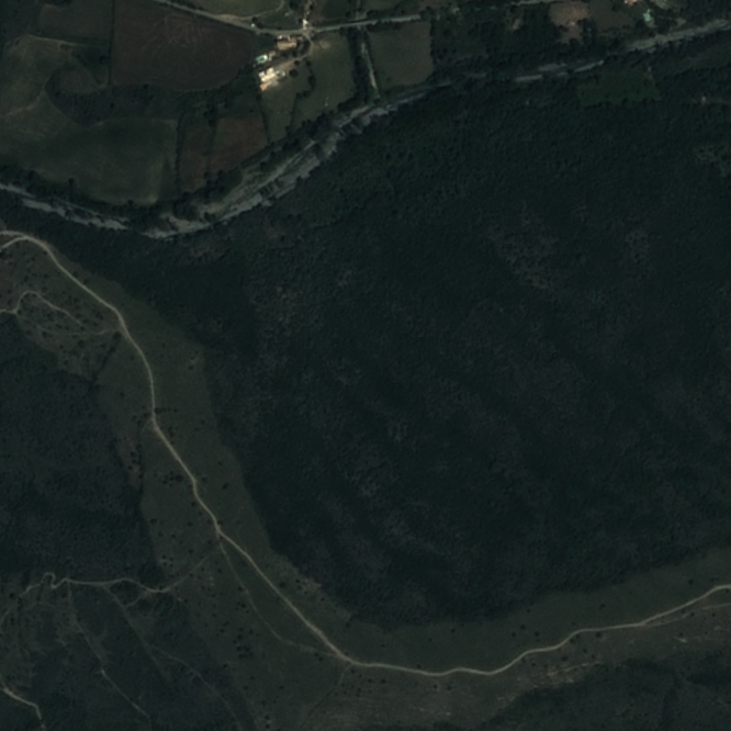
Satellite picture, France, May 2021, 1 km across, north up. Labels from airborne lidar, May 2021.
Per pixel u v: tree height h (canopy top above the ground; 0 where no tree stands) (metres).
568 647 0
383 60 0
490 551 6
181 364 0
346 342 5
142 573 6
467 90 14
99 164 0
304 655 0
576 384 6
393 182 10
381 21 8
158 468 0
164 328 0
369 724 0
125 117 0
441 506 5
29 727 6
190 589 0
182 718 0
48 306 0
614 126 12
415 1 0
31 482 6
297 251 6
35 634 0
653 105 8
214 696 0
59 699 7
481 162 10
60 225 16
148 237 20
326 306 8
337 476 6
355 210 10
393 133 11
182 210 21
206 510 0
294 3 11
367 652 0
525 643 0
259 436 5
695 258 7
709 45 10
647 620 0
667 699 6
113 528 6
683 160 13
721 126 11
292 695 0
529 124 10
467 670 0
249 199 0
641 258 6
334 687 0
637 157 13
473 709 0
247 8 0
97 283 0
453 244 8
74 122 0
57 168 0
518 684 0
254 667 0
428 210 10
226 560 0
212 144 0
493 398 6
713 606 0
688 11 8
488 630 0
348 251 8
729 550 0
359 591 5
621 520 5
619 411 6
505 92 14
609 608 0
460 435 6
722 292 6
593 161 11
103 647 0
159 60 0
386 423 6
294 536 6
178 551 0
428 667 0
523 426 5
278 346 6
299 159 0
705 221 6
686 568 0
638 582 0
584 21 8
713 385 6
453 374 6
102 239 17
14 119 0
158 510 0
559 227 5
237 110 0
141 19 0
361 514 6
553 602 0
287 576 0
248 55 0
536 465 6
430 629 0
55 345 0
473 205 7
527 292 7
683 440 7
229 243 6
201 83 0
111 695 0
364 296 11
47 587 0
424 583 6
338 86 0
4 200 20
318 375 7
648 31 6
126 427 0
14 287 0
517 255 6
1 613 0
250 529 0
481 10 6
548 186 10
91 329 0
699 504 6
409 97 0
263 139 0
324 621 0
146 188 0
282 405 6
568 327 5
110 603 0
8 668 0
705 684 5
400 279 7
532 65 20
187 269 6
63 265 0
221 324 7
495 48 10
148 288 5
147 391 0
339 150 18
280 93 0
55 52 0
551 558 7
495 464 12
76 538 6
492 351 7
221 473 0
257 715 0
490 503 8
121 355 0
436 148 6
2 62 0
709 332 6
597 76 11
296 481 7
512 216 6
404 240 8
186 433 0
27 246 0
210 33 0
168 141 0
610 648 0
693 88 9
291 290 7
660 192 7
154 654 0
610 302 6
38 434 5
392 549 5
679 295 6
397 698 0
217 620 0
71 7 0
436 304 6
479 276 7
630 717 9
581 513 7
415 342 9
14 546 6
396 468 6
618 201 7
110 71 0
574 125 9
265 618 0
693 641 0
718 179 10
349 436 6
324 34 0
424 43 0
